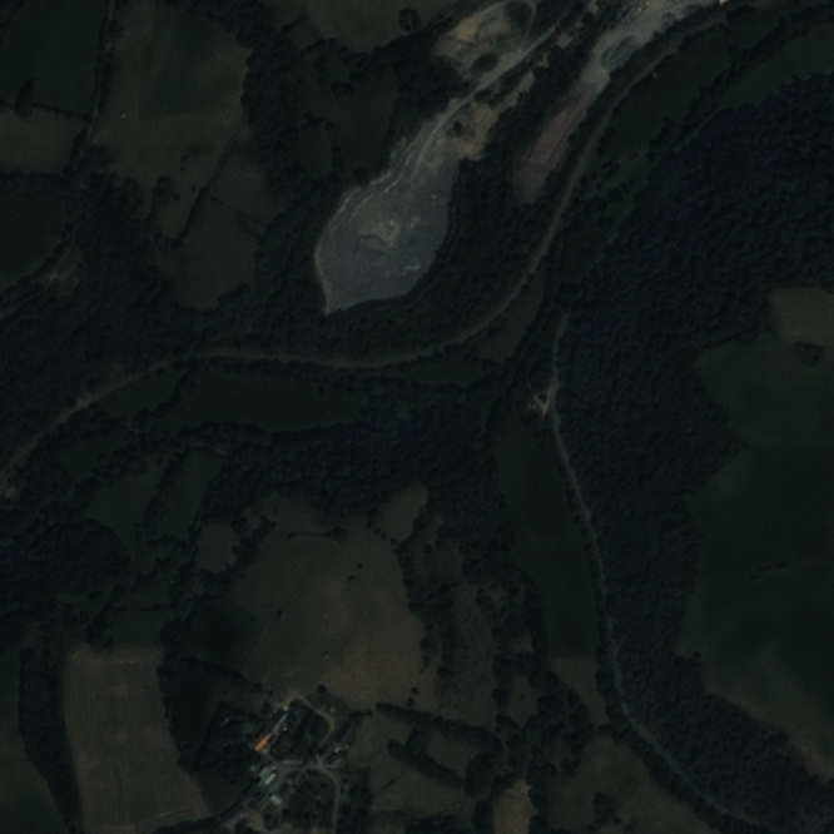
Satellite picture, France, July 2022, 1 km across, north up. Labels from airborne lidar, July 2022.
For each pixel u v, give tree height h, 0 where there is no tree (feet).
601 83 0
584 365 67
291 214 43
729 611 0
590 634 0
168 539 69
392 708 44
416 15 33
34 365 31
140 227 23
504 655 23
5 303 23
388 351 32
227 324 86
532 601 64
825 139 34
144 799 0
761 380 0
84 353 67
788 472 0
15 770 0
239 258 0
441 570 0
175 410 50
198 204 26
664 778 58
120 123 0
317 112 0
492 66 0
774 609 0
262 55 47
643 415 29
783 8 0
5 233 0
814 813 19
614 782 0
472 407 79
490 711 0
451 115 0
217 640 0
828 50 0
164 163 0
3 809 0
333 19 0
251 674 0
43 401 64
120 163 0
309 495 50
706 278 34
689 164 58
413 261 0
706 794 31
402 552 39
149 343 25
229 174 0
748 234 44
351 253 0
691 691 24
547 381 30
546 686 74
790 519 0
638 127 0
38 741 88
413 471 84
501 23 0
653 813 0
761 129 60
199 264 0
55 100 0
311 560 0
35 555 63
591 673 0
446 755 0
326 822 20
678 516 58
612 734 55
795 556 0
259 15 46
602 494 45
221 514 83
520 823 0
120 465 26
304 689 0
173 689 45
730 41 30
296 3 0
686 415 36
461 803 0
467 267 22
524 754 82
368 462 75
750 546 0
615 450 47
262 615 0
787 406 0
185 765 52
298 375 71
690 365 29
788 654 0
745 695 0
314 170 0
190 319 77
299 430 0
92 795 0
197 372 64
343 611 0
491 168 47
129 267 52
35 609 82
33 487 64
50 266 50
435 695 0
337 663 0
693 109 48
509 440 0
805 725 0
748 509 0
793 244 43
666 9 0
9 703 0
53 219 0
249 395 0
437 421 83
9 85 0
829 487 0
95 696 0
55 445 64
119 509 0
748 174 79
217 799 0
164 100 0
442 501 82
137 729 0
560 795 0
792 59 0
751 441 0
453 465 94
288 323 68
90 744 0
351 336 60
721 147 99
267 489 69
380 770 0
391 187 0
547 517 0
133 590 28
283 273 64
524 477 0
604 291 61
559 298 48
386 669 0
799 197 76
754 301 22
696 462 32
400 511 0
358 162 0
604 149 42
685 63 0
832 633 0
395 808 0
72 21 0
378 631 0
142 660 0
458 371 0
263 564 0
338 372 21
